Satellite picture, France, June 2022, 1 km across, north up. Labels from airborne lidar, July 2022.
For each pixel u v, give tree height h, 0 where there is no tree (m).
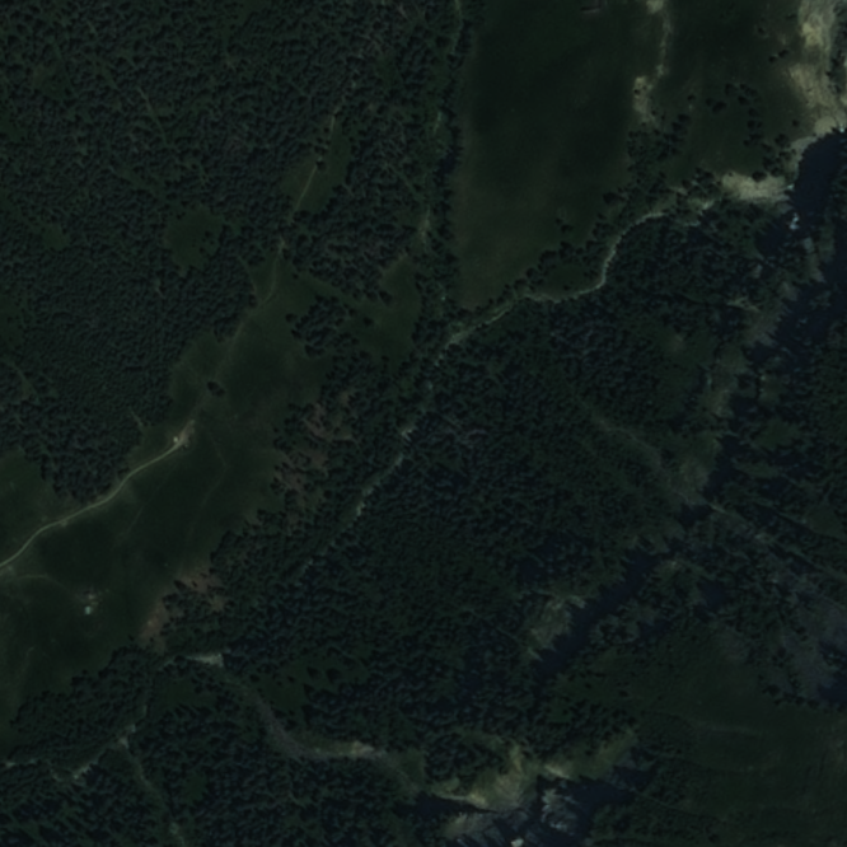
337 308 24
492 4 0
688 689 0
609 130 0
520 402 24
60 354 9
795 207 0
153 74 20
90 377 7
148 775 7
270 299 0
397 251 21
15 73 27
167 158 26
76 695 13
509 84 0
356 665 20
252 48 7
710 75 0
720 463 0
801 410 12
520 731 27
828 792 0
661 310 29
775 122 0
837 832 0
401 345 0
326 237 25
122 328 14
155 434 0
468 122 0
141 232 19
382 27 22
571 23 0
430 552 7
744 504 12
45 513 0
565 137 0
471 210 0
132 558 0
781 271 8
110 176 27
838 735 0
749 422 6
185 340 18
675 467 7
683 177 0
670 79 0
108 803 28
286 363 0
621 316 12
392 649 11
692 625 9
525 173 0
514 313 8
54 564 0
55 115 19
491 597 9
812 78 0
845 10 0
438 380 21
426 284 25
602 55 0
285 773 11
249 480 0
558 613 0
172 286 24
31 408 22
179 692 0
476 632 9
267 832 27
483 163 0
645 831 8
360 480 15
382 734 10
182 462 0
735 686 0
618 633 11
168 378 16
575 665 16
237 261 25
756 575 12
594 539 7
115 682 17
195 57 12
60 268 11
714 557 8
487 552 9
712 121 0
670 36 0
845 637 0
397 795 8
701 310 9
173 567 0
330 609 23
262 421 0
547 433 13
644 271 7
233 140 20
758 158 0
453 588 13
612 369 22
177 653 9
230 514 0
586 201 0
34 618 0
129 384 9
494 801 0
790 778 0
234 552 13
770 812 0
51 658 0
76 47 29
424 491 23
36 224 10
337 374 17
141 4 11
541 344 8
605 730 11
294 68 18
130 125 25
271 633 8
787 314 0
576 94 0
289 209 20
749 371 0
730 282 9
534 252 0
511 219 0
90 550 0
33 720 21
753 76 0
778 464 19
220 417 0
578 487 7
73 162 26
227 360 0
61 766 15
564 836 0
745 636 11
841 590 10
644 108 0
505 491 21
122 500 0
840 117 0
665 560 15
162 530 0
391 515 10
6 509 0
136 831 13
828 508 0
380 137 23
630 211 14
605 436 6
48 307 20
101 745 18
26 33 35
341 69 23
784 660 10
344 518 14
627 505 6
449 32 28
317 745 0
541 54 0
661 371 6
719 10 0
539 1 0
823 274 0
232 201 28
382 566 8
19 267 21
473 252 0
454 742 22
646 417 13
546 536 10
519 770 0
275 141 28
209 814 27
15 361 10
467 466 12
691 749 6
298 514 13
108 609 0
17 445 21
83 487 28
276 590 9
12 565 0
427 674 7
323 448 19
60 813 31
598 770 0
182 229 0
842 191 7
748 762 0
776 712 0
